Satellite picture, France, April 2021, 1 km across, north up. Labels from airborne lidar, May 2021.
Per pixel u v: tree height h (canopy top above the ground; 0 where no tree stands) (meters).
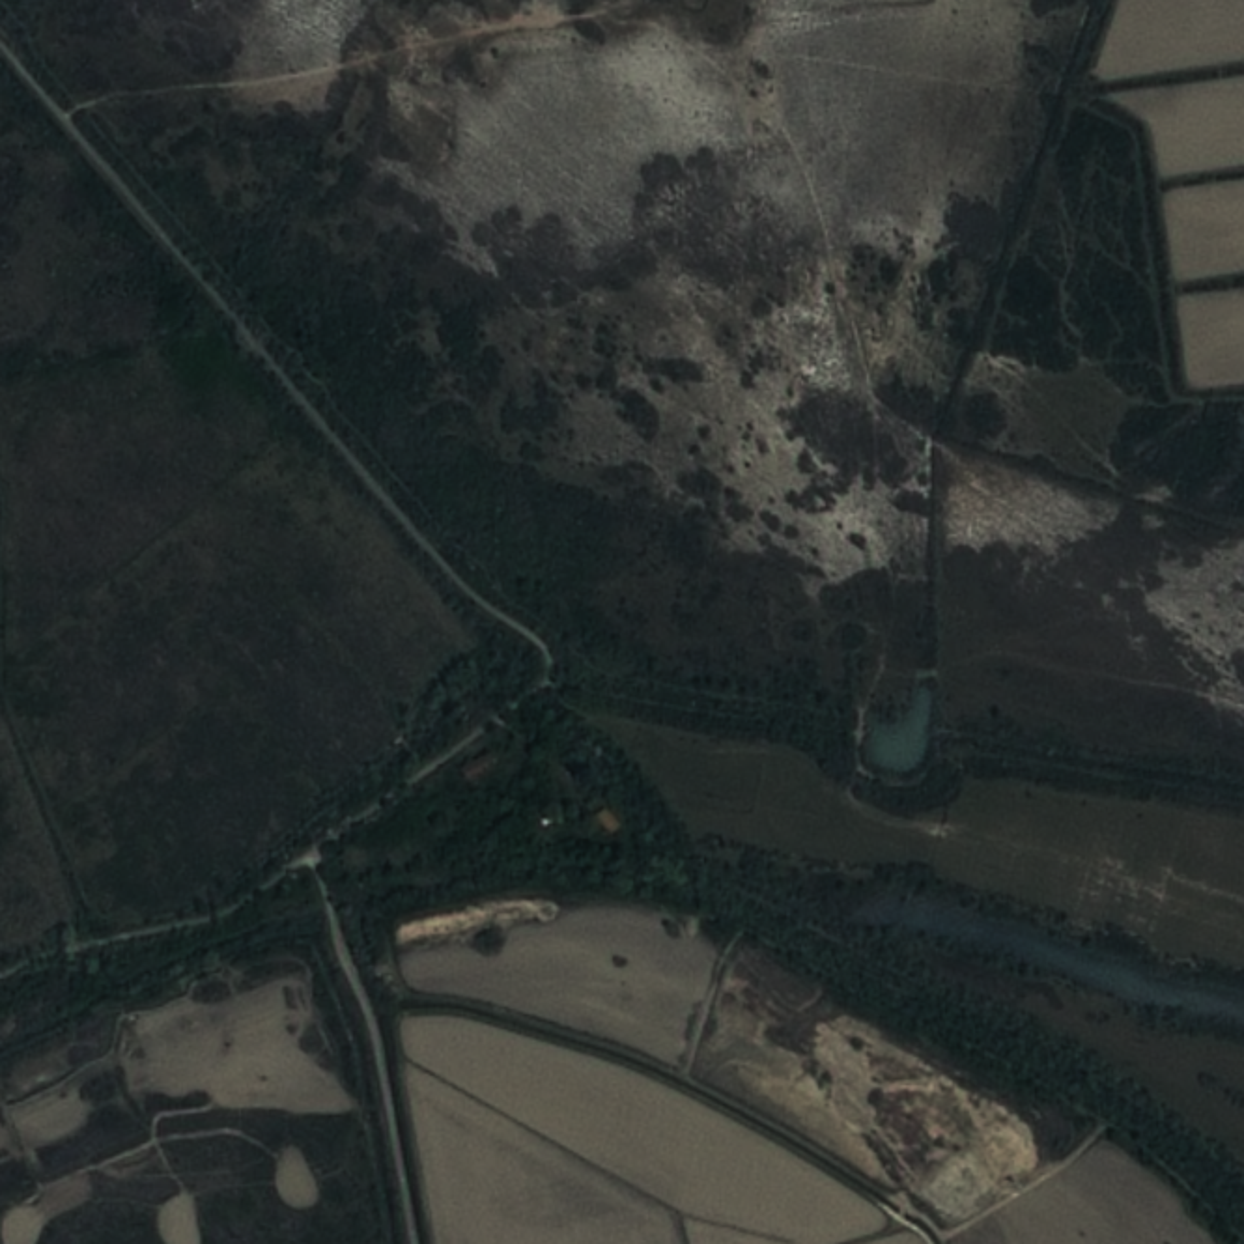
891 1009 7
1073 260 0
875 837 0
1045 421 0
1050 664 0
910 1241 0
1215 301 0
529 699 9
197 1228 0
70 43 0
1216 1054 0
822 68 0
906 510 0
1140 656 0
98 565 0
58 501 0
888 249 0
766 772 0
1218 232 0
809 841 0
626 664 8
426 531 9
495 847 11
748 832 0
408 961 0
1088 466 0
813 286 0
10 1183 0
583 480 0
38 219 0
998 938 0
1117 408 0
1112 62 0
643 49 0
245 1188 0
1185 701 0
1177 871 0
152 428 0
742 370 0
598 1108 0
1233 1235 6
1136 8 0
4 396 0
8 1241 0
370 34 0
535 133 0
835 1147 0
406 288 5
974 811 0
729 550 0
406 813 6
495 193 0
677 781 0
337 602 0
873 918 0
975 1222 0
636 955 0
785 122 0
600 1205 0
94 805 0
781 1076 0
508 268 0
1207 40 0
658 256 0
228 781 0
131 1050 0
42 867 0
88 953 6
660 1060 0
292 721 0
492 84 0
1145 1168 8
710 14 0
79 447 0
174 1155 0
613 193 0
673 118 0
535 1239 0
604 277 0
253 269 8
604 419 0
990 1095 0
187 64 0
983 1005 11
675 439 0
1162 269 6
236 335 13
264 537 0
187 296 8
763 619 0
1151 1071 0
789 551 0
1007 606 0
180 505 0
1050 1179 0
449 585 7
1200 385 0
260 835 0
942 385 0
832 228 0
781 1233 0
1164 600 0
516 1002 0
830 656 0
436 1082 0
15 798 0
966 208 0
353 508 0
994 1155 0
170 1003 0
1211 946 0
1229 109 0
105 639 0
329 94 0
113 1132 0
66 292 0
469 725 6
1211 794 8
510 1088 0
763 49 0
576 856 10
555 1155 0
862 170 0
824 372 0
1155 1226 0
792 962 9
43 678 0
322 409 8
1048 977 8
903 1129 0
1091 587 0
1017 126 0
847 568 0
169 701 0
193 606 0
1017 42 0
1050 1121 0
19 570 0
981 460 0
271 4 0
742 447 0
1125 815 0
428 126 0
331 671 0
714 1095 0
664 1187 0
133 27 0
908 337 0
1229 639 0
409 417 7
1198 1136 7
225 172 0
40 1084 0
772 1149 0
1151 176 6
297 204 6
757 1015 0
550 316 0
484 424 0
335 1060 0
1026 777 7
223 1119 0
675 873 10
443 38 0
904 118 0
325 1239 0
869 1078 0
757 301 0
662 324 0
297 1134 0
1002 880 0
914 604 0
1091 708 0
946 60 0
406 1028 0
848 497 0
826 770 9
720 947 0
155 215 7
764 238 0
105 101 0
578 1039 0
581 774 17
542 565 5
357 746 0
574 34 0
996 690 0
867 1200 0
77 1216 0
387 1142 6
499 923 0
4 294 0
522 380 0
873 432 0
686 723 6
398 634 0
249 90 0
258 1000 0
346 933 6
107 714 0
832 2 0
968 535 0
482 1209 0
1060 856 0
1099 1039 0
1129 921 0
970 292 0
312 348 11
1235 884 0
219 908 11
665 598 0
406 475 8
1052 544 0
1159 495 0
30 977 8
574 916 0
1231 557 0
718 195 0
